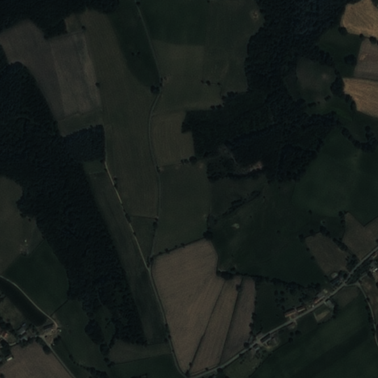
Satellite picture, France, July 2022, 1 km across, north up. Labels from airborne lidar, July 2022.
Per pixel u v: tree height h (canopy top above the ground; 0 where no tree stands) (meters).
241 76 0
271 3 11
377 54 0
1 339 0
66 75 0
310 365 0
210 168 7
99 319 0
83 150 21
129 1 0
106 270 10
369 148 24
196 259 0
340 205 0
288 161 19
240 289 16
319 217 0
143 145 0
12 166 27
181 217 0
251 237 0
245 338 0
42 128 11
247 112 7
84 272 24
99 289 20
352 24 0
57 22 10
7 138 23
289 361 0
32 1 24
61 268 0
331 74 0
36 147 26
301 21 20
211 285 0
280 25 19
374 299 0
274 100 16
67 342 0
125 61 0
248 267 0
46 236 17
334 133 0
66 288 0
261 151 25
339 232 0
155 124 0
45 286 0
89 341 0
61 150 20
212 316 0
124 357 0
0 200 0
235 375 0
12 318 0
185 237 0
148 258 8
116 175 0
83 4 24
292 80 0
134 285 0
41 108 8
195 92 0
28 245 0
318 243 0
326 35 0
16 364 0
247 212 0
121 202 0
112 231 0
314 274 0
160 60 0
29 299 0
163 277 0
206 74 0
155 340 0
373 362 0
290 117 17
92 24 0
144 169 0
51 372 0
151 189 0
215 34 0
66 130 0
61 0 21
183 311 0
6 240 0
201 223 0
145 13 0
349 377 0
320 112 0
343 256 0
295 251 0
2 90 21
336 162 0
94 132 17
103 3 23
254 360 0
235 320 0
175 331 0
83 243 25
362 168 0
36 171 21
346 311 0
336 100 0
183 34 0
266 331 0
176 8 0
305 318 0
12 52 0
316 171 0
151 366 0
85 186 9
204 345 0
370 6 0
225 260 0
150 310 0
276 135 25
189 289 0
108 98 0
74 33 0
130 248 0
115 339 7
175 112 0
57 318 0
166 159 0
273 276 0
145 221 0
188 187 0
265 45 17
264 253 0
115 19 0
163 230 0
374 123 0
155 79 0
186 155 0
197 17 0
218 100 0
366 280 0
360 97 0
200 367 0
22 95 13
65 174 10
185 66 0
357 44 0
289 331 0
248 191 0
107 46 0
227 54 0
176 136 0
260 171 19
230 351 0
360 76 0
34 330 7
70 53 0
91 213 10
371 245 0
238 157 26
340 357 0
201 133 6
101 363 0
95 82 0
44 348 14
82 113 0
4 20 20
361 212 0
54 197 20
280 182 17
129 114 0
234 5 0
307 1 18
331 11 9
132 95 0
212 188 0
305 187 0
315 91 0
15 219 0
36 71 0
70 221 18
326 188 0
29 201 18
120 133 0
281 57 15
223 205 0
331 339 0
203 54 0
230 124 5
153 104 0
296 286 16
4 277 0
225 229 0
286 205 0
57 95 0
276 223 0
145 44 0
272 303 0
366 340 0
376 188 0
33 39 0
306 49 20
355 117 0
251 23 0
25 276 0
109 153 0
